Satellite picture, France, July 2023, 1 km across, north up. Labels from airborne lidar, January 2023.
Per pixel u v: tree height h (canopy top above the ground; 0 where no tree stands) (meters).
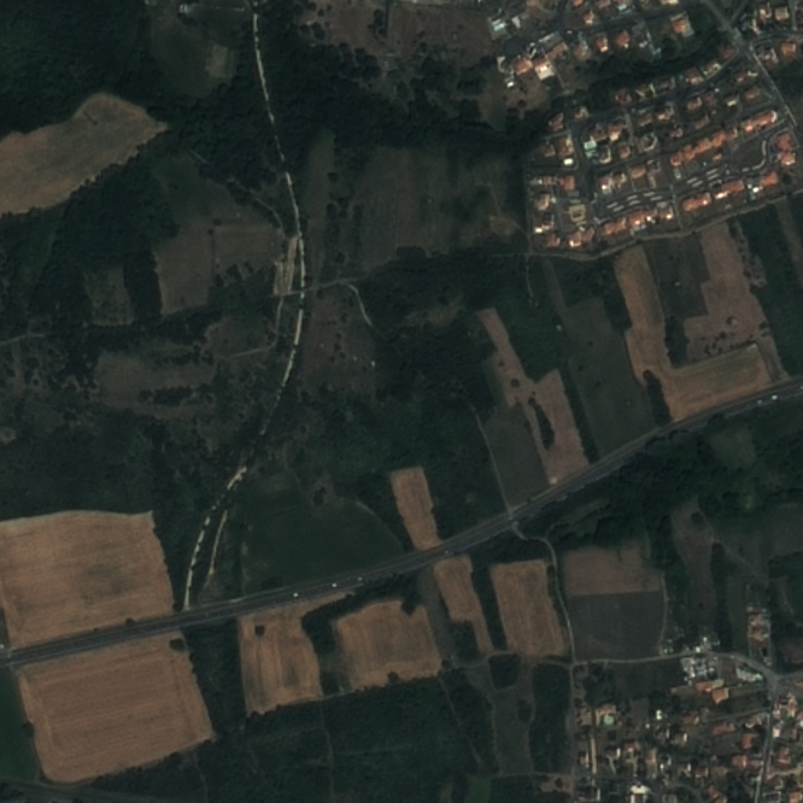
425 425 6
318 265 0
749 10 6
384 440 8
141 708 0
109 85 10
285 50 13
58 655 0
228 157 15
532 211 0
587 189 0
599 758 7
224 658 7
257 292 6
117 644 0
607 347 0
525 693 0
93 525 0
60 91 16
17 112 23
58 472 9
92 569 0
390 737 6
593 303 0
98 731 0
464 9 0
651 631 0
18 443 7
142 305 8
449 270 10
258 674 0
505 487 0
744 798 8
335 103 21
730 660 0
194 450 6
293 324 7
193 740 0
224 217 0
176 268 0
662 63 10
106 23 16
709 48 7
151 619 0
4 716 0
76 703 0
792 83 6
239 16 0
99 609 0
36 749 0
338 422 12
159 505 10
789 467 10
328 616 9
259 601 0
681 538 0
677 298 0
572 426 0
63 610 0
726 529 0
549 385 0
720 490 8
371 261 0
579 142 0
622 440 0
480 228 0
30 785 0
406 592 11
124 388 0
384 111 13
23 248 14
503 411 0
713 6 0
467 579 0
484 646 0
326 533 0
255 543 0
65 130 0
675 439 15
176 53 0
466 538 0
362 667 0
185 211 0
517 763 0
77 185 0
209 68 0
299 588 0
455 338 8
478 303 9
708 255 0
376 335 6
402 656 0
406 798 6
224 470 9
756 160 0
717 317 0
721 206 0
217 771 5
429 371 6
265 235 0
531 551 11
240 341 0
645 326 0
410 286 8
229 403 8
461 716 8
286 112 8
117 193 22
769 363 0
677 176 0
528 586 0
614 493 6
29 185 0
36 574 0
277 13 8
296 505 0
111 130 0
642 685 0
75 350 9
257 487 0
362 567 0
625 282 0
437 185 0
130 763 0
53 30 13
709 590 0
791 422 0
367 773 6
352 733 7
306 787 6
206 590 0
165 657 0
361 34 0
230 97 14
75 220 15
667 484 21
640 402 0
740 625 0
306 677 0
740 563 0
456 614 0
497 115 0
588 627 0
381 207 0
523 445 0
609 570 0
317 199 0
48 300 12
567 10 0
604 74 15
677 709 7
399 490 0
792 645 0
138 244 14
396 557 0
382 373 6
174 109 5
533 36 0
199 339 7
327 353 0
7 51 11
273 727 6
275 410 13
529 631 0
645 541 0
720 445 0
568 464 0
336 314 0
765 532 0
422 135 17
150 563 0
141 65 9
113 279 0
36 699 0
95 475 9
